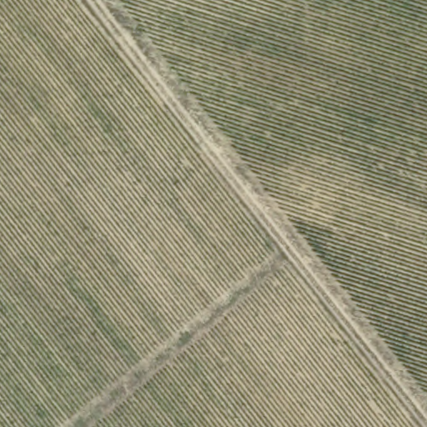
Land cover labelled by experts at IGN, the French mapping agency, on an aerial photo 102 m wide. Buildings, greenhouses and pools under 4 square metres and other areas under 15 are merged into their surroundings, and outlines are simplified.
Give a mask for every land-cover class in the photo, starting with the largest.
<instances>
[{"label":"vineyard","instance_id":"1","mask_svg":"<svg viewBox=\"0 0 427 427\"><path fill-rule=\"evenodd\" d=\"M0 427H427V0H0Z\"/></svg>","mask_w":427,"mask_h":427}]
</instances>
